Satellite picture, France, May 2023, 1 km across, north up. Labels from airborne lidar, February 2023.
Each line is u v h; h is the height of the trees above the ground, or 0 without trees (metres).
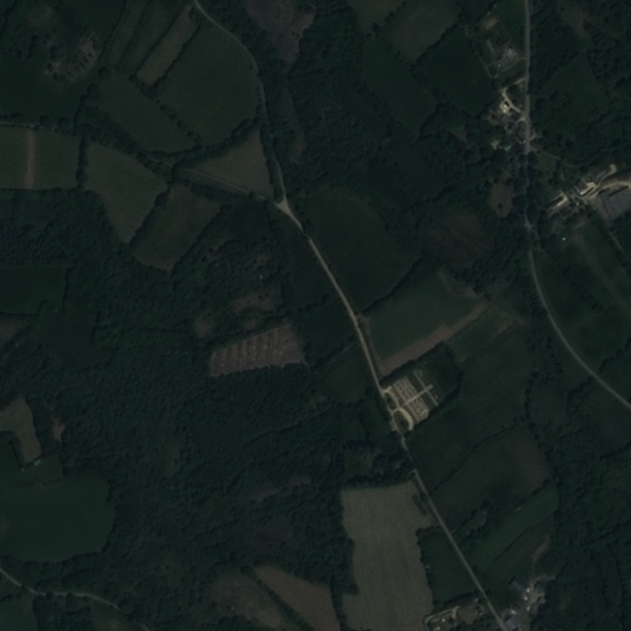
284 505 9
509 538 0
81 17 6
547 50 7
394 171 8
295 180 16
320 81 11
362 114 0
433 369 0
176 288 13
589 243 0
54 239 12
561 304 0
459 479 0
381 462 17
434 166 15
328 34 13
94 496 0
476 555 0
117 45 0
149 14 0
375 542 0
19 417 0
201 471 10
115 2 0
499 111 8
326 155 14
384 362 0
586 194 0
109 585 10
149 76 0
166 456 0
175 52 0
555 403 0
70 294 15
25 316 9
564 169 11
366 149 8
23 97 0
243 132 14
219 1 0
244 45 13
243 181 0
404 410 0
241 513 10
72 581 16
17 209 10
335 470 23
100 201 14
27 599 0
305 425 12
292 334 0
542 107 17
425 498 12
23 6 8
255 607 0
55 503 0
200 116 0
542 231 18
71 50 0
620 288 0
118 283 6
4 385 9
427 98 0
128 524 9
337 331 0
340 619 11
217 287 6
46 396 11
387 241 0
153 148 0
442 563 0
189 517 11
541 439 13
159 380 7
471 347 0
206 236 14
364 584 0
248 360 0
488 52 0
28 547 0
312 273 0
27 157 0
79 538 0
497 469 0
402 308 0
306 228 17
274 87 13
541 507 0
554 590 20
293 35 7
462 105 0
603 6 12
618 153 14
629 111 10
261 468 14
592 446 7
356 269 0
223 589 0
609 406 0
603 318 0
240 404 12
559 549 9
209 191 14
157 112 0
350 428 0
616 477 0
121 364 7
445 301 0
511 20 0
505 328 0
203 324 0
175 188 8
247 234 0
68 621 12
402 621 0
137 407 9
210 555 8
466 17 13
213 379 9
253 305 0
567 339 0
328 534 9
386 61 0
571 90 0
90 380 7
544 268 0
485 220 14
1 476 0
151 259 0
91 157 0
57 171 0
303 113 15
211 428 9
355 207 0
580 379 0
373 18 0
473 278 8
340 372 0
